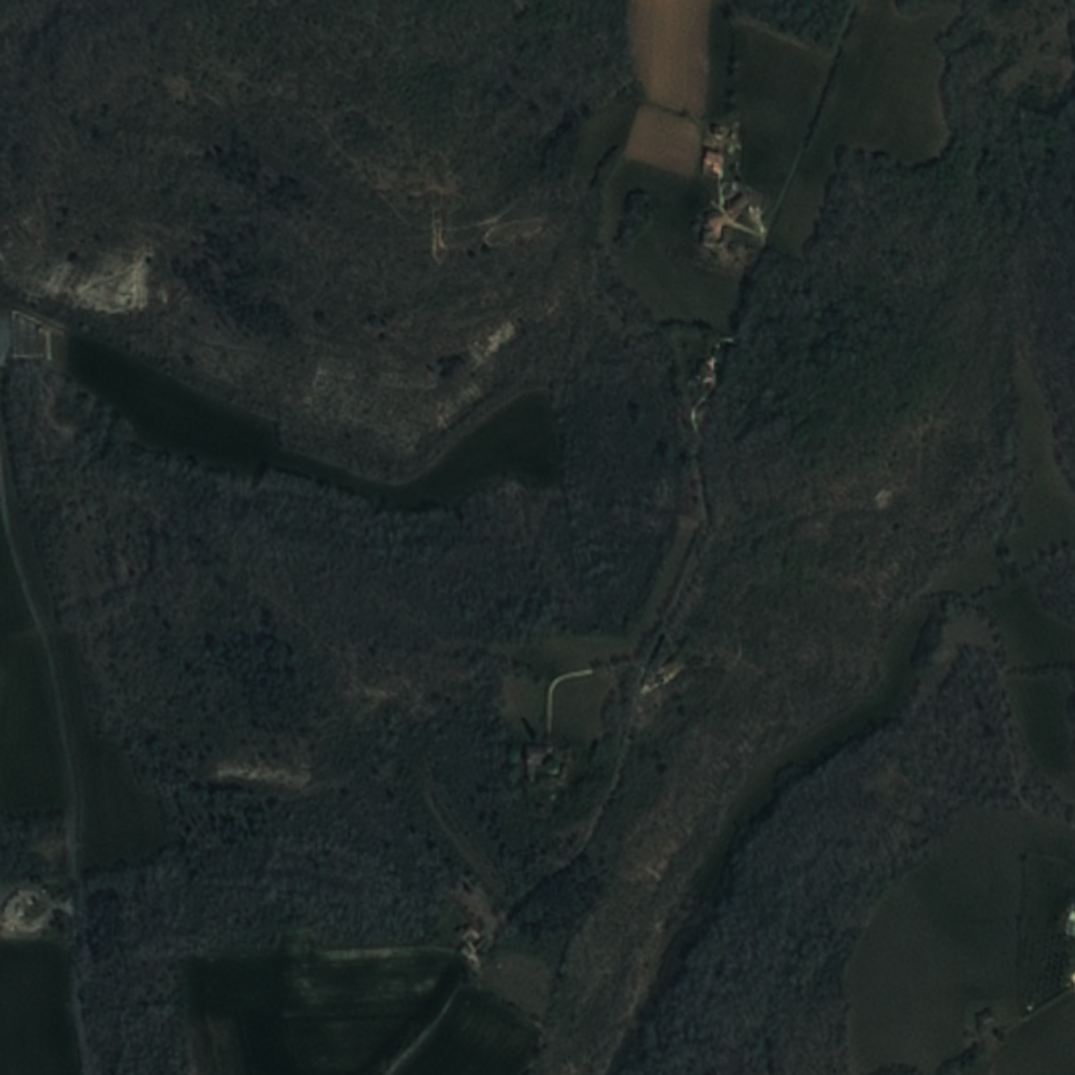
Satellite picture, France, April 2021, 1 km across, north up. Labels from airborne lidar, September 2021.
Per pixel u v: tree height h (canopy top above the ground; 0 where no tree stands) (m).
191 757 10
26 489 10
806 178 0
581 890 15
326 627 10
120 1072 7
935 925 0
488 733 11
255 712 17
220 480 16
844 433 10
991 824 0
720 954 16
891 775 17
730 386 17
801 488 9
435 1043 0
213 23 8
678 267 0
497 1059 0
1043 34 10
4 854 17
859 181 15
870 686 10
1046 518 0
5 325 0
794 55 0
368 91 7
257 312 16
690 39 0
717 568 6
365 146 8
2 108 17
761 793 0
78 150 12
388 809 8
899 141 0
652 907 11
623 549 8
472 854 0
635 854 11
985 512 13
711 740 10
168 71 10
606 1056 12
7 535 0
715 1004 14
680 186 0
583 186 13
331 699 8
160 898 9
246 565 14
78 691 0
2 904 0
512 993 0
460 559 7
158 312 6
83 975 8
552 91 15
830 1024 9
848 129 0
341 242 6
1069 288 15
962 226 21
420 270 10
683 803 10
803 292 9
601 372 12
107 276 0
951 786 6
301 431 8
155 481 7
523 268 12
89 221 9
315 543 7
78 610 9
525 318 6
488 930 12
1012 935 0
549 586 6
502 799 16
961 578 0
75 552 0
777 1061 10
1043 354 12
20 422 10
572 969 18
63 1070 0
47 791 0
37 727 0
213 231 13
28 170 16
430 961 0
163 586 17
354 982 0
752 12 13
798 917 15
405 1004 0
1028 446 0
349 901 13
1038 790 6
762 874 17
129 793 0
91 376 0
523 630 12
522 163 13
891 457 9
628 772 13
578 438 6
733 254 13
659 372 9
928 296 13
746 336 19
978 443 7
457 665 11
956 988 0
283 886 14
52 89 11
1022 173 22
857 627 11
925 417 8
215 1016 0
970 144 20
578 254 12
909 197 18
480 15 18
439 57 11
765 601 9
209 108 9
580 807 8
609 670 11
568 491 13
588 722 0
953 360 14
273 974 0
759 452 11
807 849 16
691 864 17
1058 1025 0
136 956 14
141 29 12
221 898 9
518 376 11
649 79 0
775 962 13
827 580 10
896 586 8
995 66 18
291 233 13
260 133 15
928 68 0
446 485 0
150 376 0
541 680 8
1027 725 0
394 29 9
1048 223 16
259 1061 0
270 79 7
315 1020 0
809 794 19
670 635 13
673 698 16
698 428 9
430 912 12
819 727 10
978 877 0
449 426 6
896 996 0
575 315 10
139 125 10
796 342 20
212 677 9
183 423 0
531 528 9
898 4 9
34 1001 0
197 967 0
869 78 0
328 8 12
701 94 0
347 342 6
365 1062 0
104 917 18
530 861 10
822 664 8
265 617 8
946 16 0
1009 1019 0
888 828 17
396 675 7
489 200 9
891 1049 0
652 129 0
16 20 14
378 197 10
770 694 14
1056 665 6
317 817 6
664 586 0
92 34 14
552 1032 15
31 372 15
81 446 10
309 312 7
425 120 7
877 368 17
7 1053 0
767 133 0
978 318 9
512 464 0
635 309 14
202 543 19
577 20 18
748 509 13
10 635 0
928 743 7
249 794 13
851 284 20
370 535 11
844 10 16
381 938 12
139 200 12
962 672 8
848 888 18
